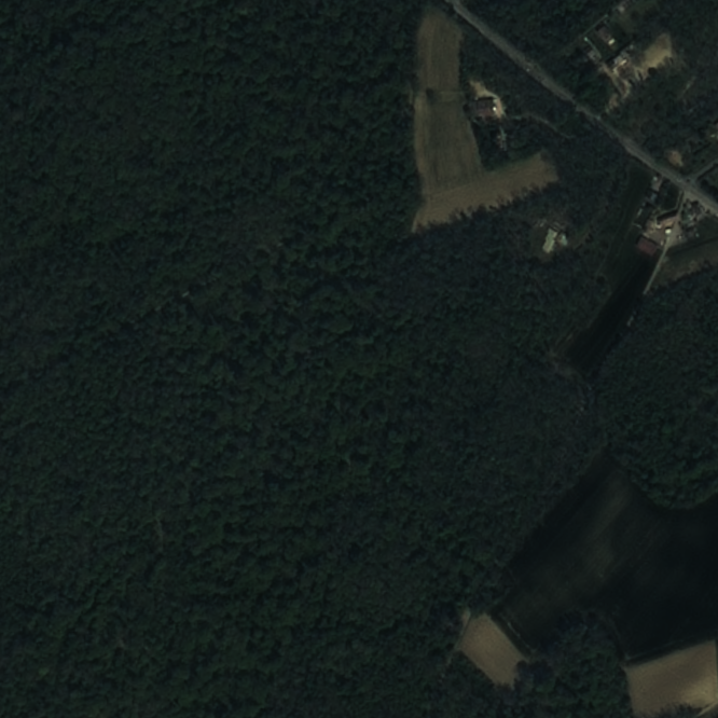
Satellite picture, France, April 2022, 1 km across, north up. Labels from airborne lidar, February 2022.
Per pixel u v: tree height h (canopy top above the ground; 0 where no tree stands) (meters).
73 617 22
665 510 0
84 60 26
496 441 27
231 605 25
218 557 26
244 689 27
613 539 0
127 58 27
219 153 17
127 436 17
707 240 0
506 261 27
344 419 24
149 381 23
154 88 29
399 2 27
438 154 0
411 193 25
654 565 0
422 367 25
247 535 26
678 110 27
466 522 19
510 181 0
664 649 0
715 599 0
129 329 32
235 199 17
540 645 0
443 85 0
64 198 31
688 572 0
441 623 23
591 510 0
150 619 26
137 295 24
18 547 14
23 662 25
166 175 30
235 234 28
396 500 20
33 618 27
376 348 11
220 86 26
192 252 25
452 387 30
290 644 24
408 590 30
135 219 27
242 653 29
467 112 9
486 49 22
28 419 28
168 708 23
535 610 0
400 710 19
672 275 0
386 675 24
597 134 24
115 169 31
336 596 24
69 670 22
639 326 13
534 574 0
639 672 0
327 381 26
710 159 0
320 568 28
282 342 30
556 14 26
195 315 30
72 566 15
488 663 0
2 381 17
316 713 24
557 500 17
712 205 0
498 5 23
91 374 26
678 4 22
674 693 0
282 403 24
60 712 27
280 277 25
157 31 29
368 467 32
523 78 25
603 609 0
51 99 17
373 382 8
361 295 29
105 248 24
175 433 26
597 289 30
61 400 18
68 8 25
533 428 29
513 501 22
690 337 12
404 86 24
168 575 8
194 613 26
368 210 29
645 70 0
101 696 26
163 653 23
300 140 26
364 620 21
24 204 27
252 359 28
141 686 25
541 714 26
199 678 30
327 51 25
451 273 31
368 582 30
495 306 26
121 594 12
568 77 26
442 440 28
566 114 25
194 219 25
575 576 0
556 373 29
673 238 0
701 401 17
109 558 22
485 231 31
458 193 0
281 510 27
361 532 28
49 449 29
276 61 28
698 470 22
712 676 0
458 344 28
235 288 29
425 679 22
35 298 25
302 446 24
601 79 20
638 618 0
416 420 24
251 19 25
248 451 25
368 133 27
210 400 29
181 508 26
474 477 23
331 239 23
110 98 30
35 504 23
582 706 20
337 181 22
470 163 0
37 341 26
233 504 25
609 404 26
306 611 26
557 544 0
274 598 23
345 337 16
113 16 27
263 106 23
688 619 0
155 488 24
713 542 0
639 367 12
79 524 24
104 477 26
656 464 12
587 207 24
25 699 27
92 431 24
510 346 29
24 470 17
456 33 0
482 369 30
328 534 28
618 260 0
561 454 33
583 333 0
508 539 21
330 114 25
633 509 0
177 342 25
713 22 20
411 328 22
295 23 11
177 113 31
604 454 0
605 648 26
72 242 18
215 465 24
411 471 26
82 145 26
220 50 22
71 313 26
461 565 30
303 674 24
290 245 31
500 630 0
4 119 16
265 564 19
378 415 29
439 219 0
